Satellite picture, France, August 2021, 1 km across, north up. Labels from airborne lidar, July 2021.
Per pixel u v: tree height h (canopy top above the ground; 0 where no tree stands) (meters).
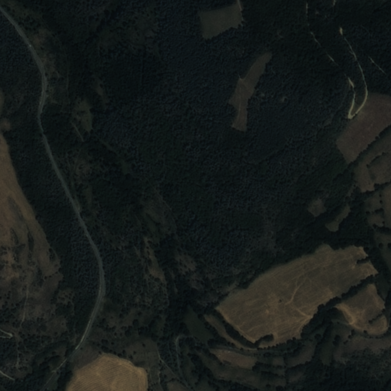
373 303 0
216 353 0
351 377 14
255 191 18
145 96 15
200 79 19
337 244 16
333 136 10
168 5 19
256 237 8
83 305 9
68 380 13
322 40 17
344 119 14
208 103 15
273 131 19
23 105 9
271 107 13
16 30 13
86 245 12
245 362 0
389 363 7
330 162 17
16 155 9
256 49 15
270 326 0
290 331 0
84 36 14
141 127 11
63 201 12
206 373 16
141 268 10
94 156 18
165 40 17
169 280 15
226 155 14
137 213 6
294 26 19
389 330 6
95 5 14
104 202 12
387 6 10
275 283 0
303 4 11
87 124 0
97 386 0
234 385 11
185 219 9
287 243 10
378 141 12
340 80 14
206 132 12
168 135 16
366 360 9
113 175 20
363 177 0
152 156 10
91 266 15
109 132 20
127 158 12
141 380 0
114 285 11
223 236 8
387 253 0
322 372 13
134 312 0
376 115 0
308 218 13
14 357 7
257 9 11
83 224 0
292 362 0
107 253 13
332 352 0
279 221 8
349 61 15
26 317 0
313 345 0
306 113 15
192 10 15
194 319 0
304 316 0
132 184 16
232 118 11
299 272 0
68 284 9
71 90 11
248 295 0
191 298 23
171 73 14
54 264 0
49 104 5
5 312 8
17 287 0
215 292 9
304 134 15
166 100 17
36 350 6
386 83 13
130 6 21
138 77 10
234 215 8
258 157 19
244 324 0
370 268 0
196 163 9
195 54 16
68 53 10
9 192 0
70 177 15
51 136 15
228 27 0
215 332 15
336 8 14
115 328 10
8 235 0
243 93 0
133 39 0
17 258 0
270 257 13
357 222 10
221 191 19
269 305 0
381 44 9
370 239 7
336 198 6
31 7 21
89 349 0
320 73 14
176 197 9
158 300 7
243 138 7
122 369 0
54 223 10
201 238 16
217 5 12
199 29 11
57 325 0
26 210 0
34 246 0
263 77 12
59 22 15
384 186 11
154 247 18
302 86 16
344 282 0
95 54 14
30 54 15
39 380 18
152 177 7
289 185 12
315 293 0
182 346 18
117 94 13
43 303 0
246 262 6
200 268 13
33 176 10
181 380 11
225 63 20
